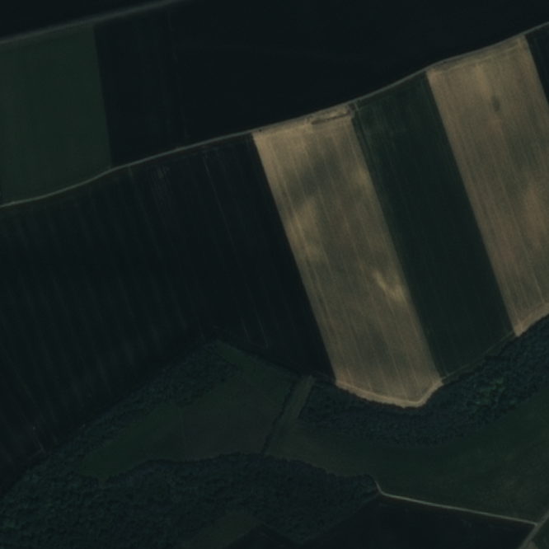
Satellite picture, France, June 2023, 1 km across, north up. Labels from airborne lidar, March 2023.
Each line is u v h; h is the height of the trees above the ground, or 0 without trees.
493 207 0
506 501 0
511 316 0
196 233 0
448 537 0
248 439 0
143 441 0
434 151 0
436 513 0
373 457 0
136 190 0
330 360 0
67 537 15
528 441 0
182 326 0
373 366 0
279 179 0
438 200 0
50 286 0
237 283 0
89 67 0
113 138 0
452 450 0
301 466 19
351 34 0
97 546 20
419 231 0
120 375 0
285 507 21
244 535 0
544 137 0
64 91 0
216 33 0
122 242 0
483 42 0
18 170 0
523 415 0
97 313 0
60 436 0
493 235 0
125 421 17
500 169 0
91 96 0
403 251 0
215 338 12
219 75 0
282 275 0
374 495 11
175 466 6
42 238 0
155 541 17
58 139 0
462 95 0
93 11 0
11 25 0
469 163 0
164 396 12
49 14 0
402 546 0
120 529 17
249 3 0
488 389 13
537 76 0
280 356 0
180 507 17
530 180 0
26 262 0
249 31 0
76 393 0
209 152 0
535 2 0
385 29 0
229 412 0
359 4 0
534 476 0
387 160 0
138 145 0
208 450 0
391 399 0
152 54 0
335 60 0
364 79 0
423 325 0
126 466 0
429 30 0
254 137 0
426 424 15
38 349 0
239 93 0
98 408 0
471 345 0
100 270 0
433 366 0
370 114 0
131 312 0
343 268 0
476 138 0
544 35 0
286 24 0
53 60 0
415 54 0
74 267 0
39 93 0
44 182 0
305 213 0
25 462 0
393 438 17
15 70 0
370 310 0
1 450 0
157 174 0
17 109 0
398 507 0
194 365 15
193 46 0
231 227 0
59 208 0
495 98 0
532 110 0
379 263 0
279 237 0
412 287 0
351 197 0
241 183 0
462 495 0
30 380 0
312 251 0
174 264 0
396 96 0
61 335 0
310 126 0
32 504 18
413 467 0
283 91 0
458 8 0
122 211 0
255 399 0
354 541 0
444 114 0
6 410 0
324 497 21
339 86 0
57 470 15
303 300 0
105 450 0
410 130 0
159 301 0
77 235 0
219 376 10
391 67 0
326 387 13
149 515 19
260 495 17
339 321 0
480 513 0
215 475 15
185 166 0
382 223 0
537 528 0
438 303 0
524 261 0
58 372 0
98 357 0
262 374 0
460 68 0
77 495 16
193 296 0
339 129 0
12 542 16
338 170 0
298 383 11
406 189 0
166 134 0
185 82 0
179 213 0
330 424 14
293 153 0
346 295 0
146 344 0
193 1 0
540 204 0
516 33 0
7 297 0
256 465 19
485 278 0
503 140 0
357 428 15
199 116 0
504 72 0
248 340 0
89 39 0
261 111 0
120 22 0
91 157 0
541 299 0
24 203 0
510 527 0
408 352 0
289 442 0
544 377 12
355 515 0
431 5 0
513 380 8
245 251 0
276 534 0
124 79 0
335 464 0
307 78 0
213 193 0
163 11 0
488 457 0
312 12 0
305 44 0
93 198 0
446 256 0
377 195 0
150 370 0
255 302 0
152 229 0
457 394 17
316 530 15
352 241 0
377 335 0
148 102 0
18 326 0
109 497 7
